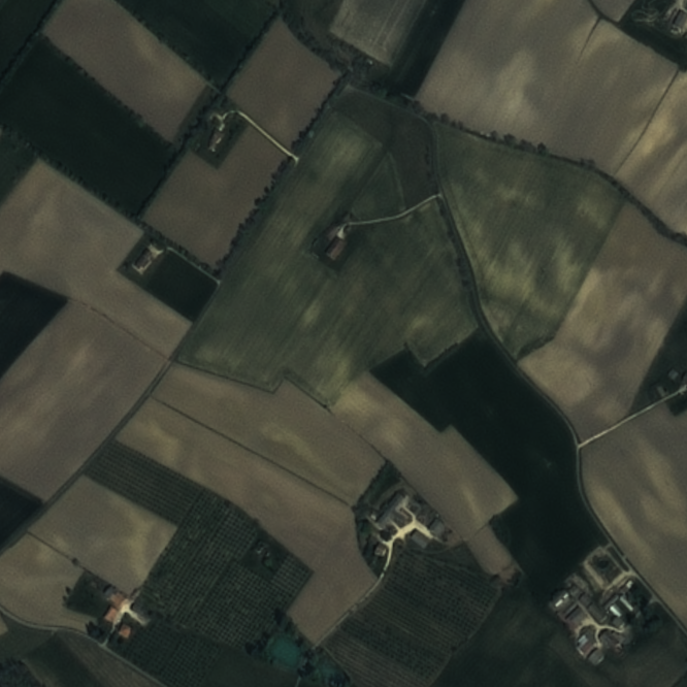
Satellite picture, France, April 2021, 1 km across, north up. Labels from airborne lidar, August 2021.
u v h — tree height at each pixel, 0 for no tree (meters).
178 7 0
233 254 12
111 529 0
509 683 0
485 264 0
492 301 0
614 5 0
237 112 7
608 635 0
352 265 0
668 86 0
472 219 0
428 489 0
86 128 0
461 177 0
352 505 0
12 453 0
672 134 0
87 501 0
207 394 0
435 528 0
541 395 0
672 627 0
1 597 0
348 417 0
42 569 0
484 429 0
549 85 0
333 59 12
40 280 0
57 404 0
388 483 0
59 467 0
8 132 11
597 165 11
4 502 0
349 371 0
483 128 0
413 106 9
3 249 0
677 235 11
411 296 0
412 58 0
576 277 0
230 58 0
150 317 0
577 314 0
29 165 0
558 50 0
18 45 0
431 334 0
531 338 0
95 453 0
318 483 0
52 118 0
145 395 0
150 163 0
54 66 0
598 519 0
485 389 0
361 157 0
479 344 0
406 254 0
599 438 0
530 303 0
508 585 0
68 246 0
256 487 0
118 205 8
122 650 10
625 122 0
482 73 0
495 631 0
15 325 0
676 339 0
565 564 0
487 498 0
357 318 0
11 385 0
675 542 0
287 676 0
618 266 0
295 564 5
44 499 0
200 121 9
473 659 0
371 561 11
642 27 0
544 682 0
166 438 0
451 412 0
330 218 0
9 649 0
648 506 0
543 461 0
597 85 0
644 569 0
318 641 0
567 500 0
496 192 0
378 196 0
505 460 0
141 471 5
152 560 0
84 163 0
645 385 0
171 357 0
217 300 0
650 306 0
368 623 6
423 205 0
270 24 9
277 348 0
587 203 0
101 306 0
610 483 0
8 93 0
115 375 0
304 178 0
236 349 0
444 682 0
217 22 0
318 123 8
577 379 0
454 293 0
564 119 0
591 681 0
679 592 0
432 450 0
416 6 0
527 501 0
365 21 0
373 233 0
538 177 0
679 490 0
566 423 0
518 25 0
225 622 6
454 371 0
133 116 13
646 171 0
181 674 6
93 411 0
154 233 11
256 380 0
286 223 0
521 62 0
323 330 0
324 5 0
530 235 0
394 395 0
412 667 5
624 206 0
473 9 0
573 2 0
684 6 0
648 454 0
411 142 0
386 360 0
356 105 0
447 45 0
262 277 0
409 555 6
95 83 10
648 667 0
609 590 0
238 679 0
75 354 0
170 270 0
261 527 9
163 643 6
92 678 0
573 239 0
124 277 0
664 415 0
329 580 0
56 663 0
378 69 0
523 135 0
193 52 0
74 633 0
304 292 0
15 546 0
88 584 0
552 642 0
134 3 0
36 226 0
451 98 0
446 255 0
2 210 0
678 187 0
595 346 0
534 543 0
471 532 0
